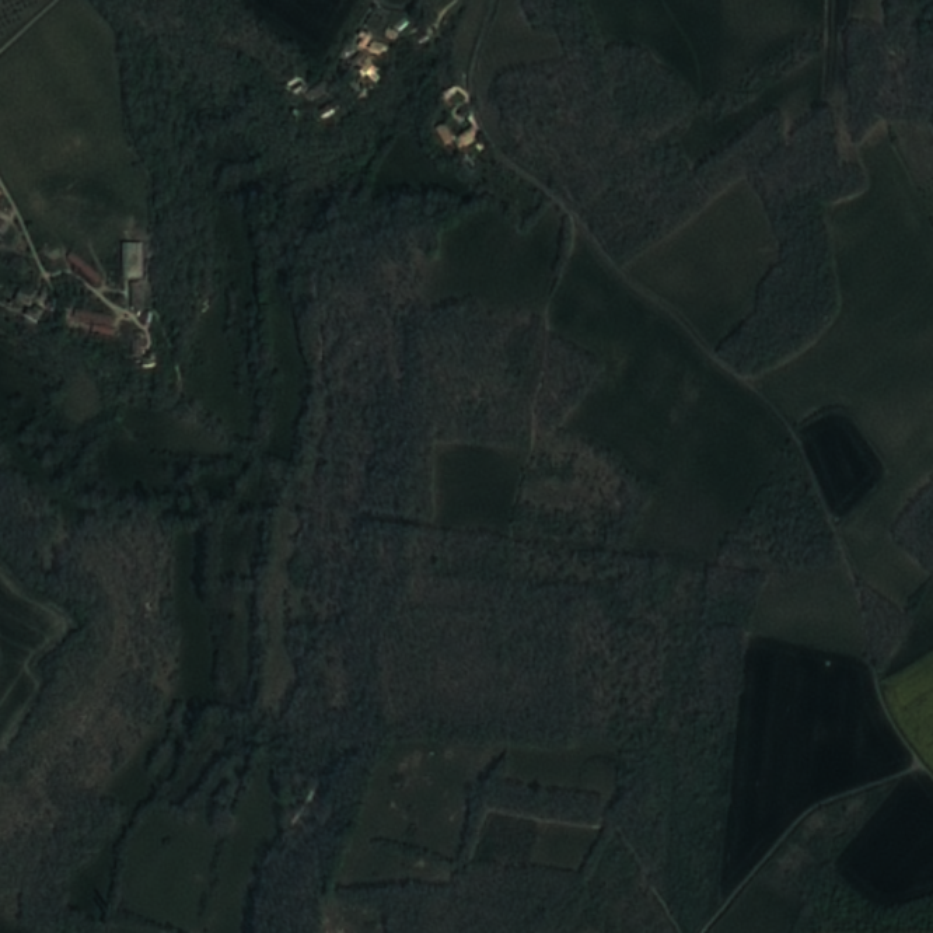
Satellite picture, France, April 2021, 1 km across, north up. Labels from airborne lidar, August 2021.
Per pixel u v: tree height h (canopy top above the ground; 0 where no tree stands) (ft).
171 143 88
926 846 0
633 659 31
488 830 23
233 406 0
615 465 38
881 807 0
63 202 0
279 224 51
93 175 0
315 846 44
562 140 28
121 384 22
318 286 46
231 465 50
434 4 38
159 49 69
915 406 0
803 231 37
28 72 0
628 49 37
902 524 46
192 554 0
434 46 27
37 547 63
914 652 0
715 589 35
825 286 36
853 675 0
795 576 0
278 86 36
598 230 31
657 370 0
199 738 100
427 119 47
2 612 0
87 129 0
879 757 0
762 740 0
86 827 77
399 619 43
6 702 0
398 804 0
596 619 44
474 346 49
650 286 0
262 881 64
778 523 32
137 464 0
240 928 0
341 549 21
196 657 0
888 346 0
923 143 0
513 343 23
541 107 28
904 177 0
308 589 29
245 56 31
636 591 30
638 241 29
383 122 69
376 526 42
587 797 40
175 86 55
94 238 0
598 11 0
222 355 0
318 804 33
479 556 35
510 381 39
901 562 0
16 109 0
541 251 0
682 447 0
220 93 63
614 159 30
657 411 0
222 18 38
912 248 0
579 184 32
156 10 41
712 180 37
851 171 51
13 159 0
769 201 38
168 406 60
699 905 18
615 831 38
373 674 35
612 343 0
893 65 29
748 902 0
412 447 38
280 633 0
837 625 0
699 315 0
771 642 0
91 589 45
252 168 54
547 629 59
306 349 42
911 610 29
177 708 41
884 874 0
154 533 34
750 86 23
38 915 76
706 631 28
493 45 0
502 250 0
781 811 0
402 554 44
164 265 76
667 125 43
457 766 0
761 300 35
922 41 52
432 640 36
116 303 22
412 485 41
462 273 0
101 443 39
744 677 49
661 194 40
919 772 0
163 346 22
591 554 20
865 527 0
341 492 31
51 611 0
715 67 0
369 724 57
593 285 0
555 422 30
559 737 64
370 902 52
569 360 36
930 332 0
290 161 41
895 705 0
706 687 42
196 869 0
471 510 0
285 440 0
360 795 49
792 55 22
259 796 0
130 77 50
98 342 32
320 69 24
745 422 0
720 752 35
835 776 0
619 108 32
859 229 0
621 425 0
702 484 0
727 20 0
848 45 54
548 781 0
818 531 42
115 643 31
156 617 27
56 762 26
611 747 0
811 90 0
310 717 57
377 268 23
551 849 0
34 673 0
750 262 0
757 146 48
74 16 0
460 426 40
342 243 51
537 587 34
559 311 0
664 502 0
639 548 0
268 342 56
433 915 52
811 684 0
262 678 26
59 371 78
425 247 39
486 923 54
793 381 0
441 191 44
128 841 30
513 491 0
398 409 30
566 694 63
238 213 43
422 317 33
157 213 23
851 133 42
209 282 66
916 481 0
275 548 37
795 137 44
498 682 40
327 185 20
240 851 0
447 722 37
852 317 0
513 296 0
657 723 32
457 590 49
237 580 51
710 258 0
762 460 0
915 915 23
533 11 47
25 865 57
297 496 33
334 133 54
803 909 27
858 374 0
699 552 0
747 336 34
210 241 69
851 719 0
